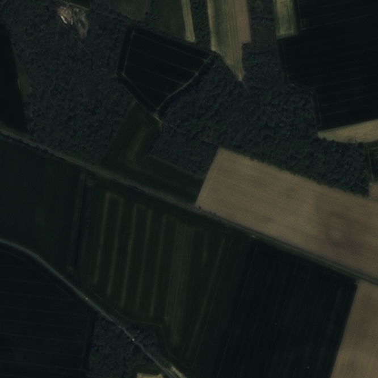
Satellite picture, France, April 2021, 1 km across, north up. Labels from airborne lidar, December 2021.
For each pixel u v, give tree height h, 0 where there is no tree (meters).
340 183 16
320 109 0
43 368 0
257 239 0
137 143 0
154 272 0
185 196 0
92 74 10
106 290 0
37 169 0
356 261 0
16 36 19
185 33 0
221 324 0
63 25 7
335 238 0
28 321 0
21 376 0
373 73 0
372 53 0
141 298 0
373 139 0
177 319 0
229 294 0
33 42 21
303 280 0
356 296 0
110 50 20
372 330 0
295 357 0
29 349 0
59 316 0
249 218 0
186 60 0
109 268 0
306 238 0
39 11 20
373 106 0
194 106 18
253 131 18
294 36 0
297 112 23
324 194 0
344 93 0
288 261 0
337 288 0
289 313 0
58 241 0
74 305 0
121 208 0
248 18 0
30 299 0
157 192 0
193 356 0
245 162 0
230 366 0
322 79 0
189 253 0
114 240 0
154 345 22
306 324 0
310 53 0
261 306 0
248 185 0
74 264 0
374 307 0
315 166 23
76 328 0
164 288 0
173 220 0
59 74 16
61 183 0
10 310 0
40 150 16
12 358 0
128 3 0
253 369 0
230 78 19
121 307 0
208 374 0
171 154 10
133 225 0
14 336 0
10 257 0
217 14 0
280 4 0
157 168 0
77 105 22
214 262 0
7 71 0
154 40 0
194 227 0
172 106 17
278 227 0
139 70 0
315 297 0
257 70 20
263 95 20
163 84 0
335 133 0
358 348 0
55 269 0
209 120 23
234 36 0
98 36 22
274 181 0
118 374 19
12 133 0
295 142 20
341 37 0
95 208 0
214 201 0
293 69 0
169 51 0
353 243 0
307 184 0
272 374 0
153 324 0
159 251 0
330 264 0
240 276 0
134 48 0
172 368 0
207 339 0
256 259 0
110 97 18
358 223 0
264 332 0
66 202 0
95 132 22
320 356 0
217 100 24
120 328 16
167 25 0
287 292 0
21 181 0
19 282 0
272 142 23
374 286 0
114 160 0
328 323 0
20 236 0
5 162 0
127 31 0
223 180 0
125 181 0
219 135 13
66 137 18
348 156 20
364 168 10
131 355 24
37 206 0
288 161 16
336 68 0
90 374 13
